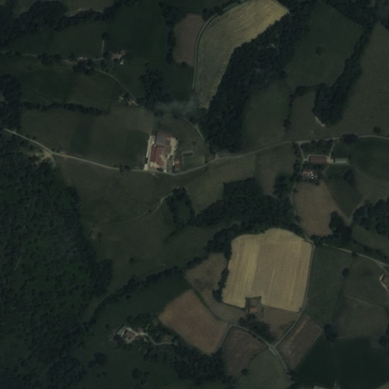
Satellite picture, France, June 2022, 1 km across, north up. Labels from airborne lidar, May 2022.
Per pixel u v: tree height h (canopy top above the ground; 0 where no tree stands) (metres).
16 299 11
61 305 7
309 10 23
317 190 0
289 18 24
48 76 0
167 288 0
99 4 0
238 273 0
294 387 18
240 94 19
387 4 24
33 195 14
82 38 0
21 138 12
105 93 0
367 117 0
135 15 0
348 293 0
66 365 18
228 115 18
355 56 14
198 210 0
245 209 10
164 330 15
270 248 0
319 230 0
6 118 15
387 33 0
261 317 0
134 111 0
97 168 0
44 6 21
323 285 0
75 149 0
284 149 0
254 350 0
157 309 0
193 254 0
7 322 17
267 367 0
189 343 0
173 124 0
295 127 0
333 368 0
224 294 0
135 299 0
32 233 11
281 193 23
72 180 0
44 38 0
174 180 0
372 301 0
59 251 16
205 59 0
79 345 16
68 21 20
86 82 0
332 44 0
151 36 0
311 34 0
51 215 14
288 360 0
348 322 0
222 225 0
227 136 20
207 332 0
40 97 0
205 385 0
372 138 0
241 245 0
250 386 0
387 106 0
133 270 0
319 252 0
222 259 0
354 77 7
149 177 0
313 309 0
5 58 8
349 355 0
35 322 16
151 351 13
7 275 14
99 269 9
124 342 7
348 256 0
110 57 17
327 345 0
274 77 8
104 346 0
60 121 0
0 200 11
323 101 19
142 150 0
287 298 0
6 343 0
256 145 0
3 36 17
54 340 14
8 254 13
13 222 12
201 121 11
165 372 0
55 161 0
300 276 0
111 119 0
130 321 12
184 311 0
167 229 0
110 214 0
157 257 0
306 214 0
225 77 13
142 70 0
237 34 0
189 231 0
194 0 0
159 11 0
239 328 0
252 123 0
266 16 0
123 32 0
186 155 0
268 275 0
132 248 0
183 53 0
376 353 0
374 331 0
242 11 0
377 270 0
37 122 0
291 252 0
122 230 0
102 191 0
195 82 0
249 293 0
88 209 0
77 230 24
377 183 0
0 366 12
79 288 16
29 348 10
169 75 0
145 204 0
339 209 0
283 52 22
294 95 10
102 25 0
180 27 0
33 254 17
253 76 31
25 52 0
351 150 0
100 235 9
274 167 0
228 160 0
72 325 7
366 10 20
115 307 0
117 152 0
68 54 0
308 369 0
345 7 20
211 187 0
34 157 11
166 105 20
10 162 11
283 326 0
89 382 0
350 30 0
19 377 14
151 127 0
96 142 0
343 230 22
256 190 22
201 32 0
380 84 0
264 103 0
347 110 0
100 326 0
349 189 0
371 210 14
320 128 0
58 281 15
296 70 0
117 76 0
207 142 12
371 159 0
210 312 0
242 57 24
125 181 0
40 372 5
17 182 13
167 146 0
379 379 0
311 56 0
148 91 7
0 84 24
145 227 0
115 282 0
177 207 18
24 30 13
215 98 17
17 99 9
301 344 0
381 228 19
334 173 0
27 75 0
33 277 13
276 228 19
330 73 0
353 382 0
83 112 14
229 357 0
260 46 25
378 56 0
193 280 0
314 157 0
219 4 0
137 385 6
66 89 0
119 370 0
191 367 11
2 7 13
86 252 20
